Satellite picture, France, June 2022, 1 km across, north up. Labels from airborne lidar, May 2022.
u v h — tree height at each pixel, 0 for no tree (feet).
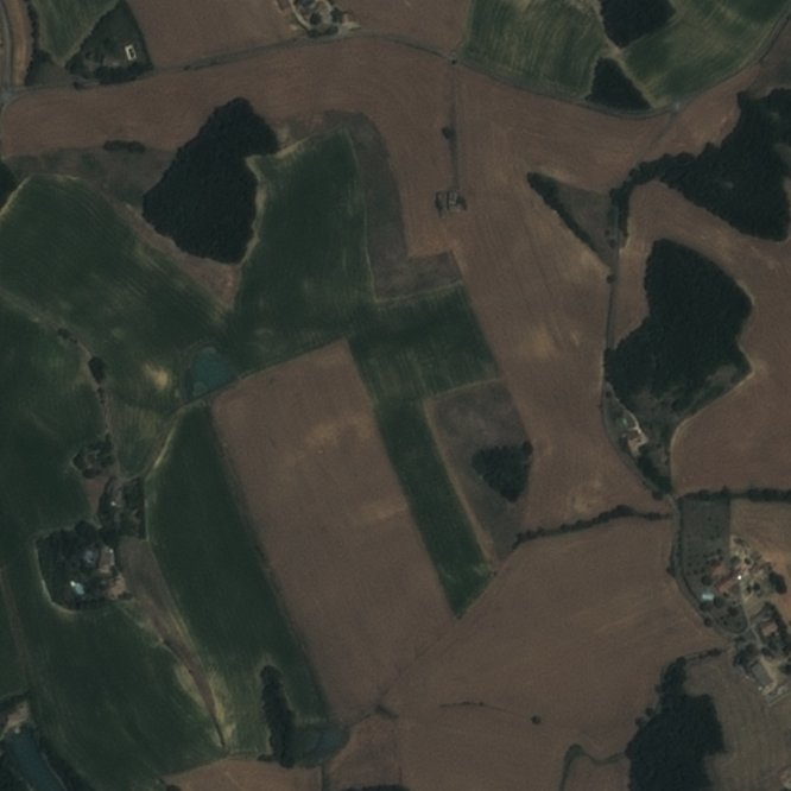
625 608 0
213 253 42
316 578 0
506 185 0
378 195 0
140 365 0
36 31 27
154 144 0
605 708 0
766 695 0
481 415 0
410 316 0
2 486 0
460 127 0
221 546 0
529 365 0
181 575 0
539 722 27
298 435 0
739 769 0
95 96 0
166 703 0
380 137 0
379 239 0
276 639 0
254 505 0
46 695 0
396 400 0
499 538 0
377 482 0
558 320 0
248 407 0
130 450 0
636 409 28
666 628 0
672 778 51
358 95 0
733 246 0
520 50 0
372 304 0
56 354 0
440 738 0
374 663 0
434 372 0
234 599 0
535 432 0
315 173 0
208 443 0
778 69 0
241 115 68
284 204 0
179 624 0
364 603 0
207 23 0
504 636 0
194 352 0
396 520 0
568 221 40
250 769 0
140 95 0
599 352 0
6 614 0
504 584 0
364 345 0
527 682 0
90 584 29
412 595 0
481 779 0
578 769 0
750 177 67
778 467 0
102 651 0
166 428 0
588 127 0
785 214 67
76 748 0
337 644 0
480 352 0
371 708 0
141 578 0
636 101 31
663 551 0
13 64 0
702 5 0
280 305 0
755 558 0
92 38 28
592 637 0
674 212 0
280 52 0
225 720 0
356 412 0
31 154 0
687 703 63
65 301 0
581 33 0
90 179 0
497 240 0
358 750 0
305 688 0
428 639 0
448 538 0
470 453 0
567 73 0
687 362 46
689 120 0
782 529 0
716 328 37
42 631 0
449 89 0
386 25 0
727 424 0
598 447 0
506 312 0
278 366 0
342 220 0
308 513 0
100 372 40
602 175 0
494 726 0
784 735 0
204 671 0
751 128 53
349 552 0
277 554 0
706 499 37
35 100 0
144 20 0
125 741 0
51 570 28
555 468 0
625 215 32
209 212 40
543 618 0
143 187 0
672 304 44
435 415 0
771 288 0
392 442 0
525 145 0
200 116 0
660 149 0
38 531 0
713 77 0
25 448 0
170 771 0
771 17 0
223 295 0
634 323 0
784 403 0
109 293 0
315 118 0
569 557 0
